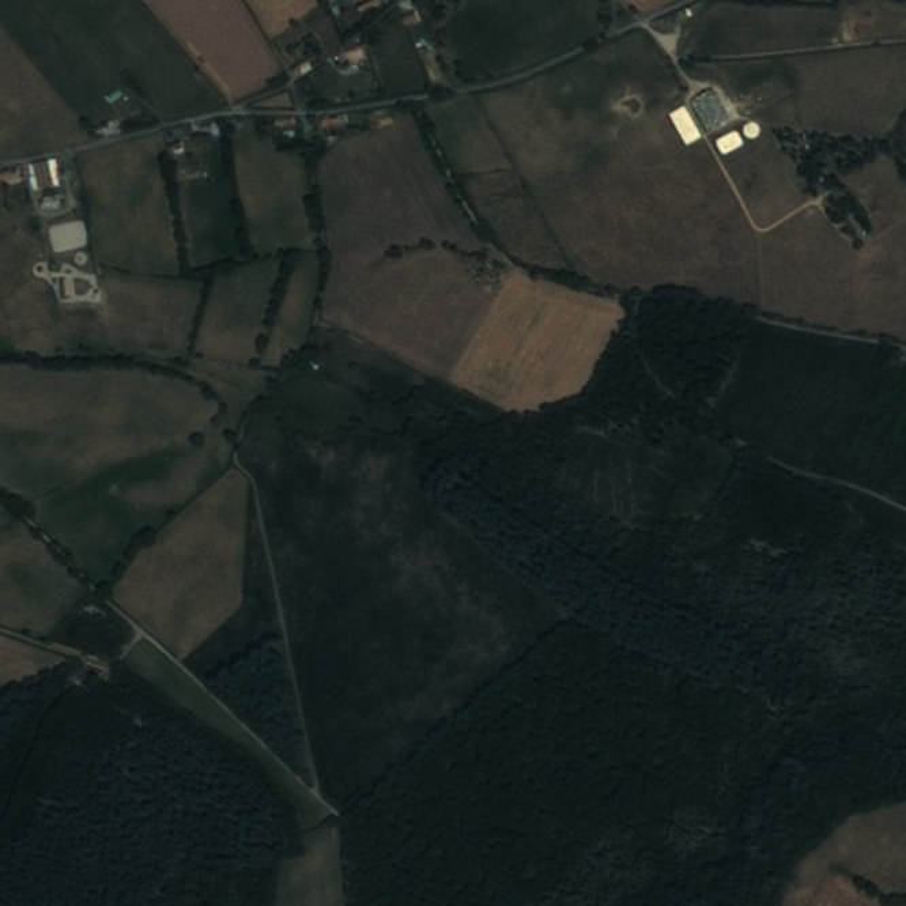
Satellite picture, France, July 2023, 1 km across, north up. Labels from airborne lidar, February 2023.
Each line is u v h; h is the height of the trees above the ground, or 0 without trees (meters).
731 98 0
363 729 0
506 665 0
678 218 0
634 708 19
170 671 0
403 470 0
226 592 0
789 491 22
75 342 0
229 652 0
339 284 0
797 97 0
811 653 12
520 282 0
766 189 0
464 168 0
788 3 7
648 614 25
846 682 9
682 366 22
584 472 0
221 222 0
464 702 0
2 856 11
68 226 0
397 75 0
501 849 21
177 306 0
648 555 13
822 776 17
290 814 14
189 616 0
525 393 0
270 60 0
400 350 0
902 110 0
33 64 0
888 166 0
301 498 0
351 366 8
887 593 21
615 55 0
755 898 14
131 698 15
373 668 0
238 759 15
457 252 13
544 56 0
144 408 0
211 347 0
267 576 0
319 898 0
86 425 0
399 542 0
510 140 0
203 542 0
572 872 19
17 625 0
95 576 0
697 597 22
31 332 0
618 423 19
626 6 0
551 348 0
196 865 22
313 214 17
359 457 0
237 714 23
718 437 23
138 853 23
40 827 15
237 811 26
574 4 0
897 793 8
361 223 0
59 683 14
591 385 8
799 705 16
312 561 0
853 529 17
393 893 20
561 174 0
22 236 0
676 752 19
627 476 0
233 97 0
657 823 17
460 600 0
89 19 0
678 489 0
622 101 0
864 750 19
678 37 0
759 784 14
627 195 0
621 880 20
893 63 0
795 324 6
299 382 0
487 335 0
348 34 10
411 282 0
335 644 0
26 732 13
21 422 0
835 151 14
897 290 0
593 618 28
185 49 0
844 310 0
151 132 0
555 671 15
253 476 0
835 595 16
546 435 20
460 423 12
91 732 14
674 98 0
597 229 0
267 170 0
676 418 19
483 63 0
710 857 15
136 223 0
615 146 0
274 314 13
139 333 0
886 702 15
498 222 0
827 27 0
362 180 0
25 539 0
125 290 0
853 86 0
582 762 19
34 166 0
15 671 0
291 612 0
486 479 18
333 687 0
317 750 0
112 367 10
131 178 0
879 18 0
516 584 0
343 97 0
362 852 18
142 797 22
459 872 20
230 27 0
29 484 0
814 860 0
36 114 0
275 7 0
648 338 18
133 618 0
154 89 0
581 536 15
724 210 0
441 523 0
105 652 0
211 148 0
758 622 11
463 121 0
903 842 0
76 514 0
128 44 0
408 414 15
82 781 15
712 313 23
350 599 0
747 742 19
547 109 0
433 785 22
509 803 18
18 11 0
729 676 27
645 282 0
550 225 0
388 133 0
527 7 0
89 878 23
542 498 9
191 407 0
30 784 15
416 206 0
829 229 0
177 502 0
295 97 0
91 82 0
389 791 19
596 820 17
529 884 18
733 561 15
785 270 0
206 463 0
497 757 21
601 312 0
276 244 0
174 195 12
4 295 0
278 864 15
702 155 0
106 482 0
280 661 25
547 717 19
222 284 0
